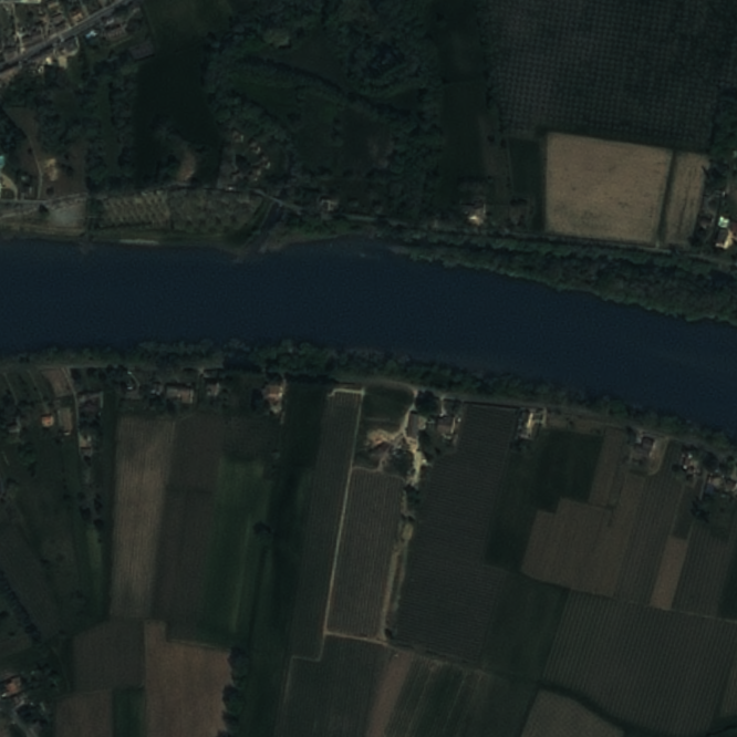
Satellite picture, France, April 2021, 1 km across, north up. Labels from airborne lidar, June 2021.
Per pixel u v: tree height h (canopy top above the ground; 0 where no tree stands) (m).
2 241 0
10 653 0
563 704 0
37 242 0
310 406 0
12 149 18
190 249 0
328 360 11
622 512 0
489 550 0
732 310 17
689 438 12
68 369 0
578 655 0
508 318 0
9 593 20
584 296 0
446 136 17
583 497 0
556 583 0
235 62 20
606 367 0
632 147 0
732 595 0
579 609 0
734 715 0
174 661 0
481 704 0
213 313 0
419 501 6
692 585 0
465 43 0
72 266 0
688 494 0
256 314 0
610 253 14
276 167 0
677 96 25
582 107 25
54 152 14
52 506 0
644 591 0
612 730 0
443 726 0
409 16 17
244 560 0
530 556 0
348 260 0
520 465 0
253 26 18
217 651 0
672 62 24
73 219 0
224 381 16
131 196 14
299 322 0
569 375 0
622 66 27
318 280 0
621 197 0
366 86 18
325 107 0
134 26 11
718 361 0
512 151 0
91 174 9
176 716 0
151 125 0
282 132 22
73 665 0
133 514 0
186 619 0
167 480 0
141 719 0
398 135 12
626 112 24
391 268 0
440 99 14
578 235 0
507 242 13
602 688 0
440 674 0
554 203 0
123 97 19
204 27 0
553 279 14
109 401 0
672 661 0
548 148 0
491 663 0
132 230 10
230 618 0
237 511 0
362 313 0
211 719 0
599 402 28
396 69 29
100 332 0
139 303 0
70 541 0
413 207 14
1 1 0
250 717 0
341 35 22
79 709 0
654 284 18
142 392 9
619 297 13
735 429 0
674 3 27
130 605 0
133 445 0
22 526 0
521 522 0
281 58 0
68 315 0
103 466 0
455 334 0
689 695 0
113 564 0
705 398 0
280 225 18
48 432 7
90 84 15
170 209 15
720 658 0
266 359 16
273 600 0
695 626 0
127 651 0
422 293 0
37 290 0
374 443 0
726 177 14
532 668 0
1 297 0
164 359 10
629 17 24
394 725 0
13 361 23
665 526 0
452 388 8
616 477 0
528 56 24
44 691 0
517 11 24
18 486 10
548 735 0
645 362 0
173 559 0
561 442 0
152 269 0
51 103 15
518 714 0
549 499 0
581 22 25
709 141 17
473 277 0
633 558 0
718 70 23
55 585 0
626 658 0
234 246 0
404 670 0
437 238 11
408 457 8
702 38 22
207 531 0
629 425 0
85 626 0
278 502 0
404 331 0
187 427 0
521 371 0
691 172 0
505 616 0
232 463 0
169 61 0
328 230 17
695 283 17
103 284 0
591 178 0
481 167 0
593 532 0
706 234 9
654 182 0
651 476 0
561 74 26
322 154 0
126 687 0
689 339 0
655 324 0
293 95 0
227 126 17
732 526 0
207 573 0
